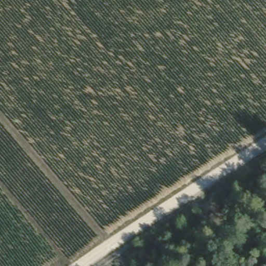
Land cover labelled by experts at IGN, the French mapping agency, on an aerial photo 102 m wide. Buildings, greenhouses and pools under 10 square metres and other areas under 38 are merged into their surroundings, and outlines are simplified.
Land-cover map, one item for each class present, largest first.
<instances>
[{"label":"vineyard","instance_id":"1","mask_svg":"<svg viewBox=\"0 0 266 266\"><path fill-rule=\"evenodd\" d=\"M266 136V0H0V266H69L143 215L154 211L170 197L192 185L193 178H211L210 171L221 164L228 167L231 164L230 159L246 151V144L252 140L257 143Z\"/></svg>","mask_w":266,"mask_h":266},{"label":"coniferous trees","instance_id":"2","mask_svg":"<svg viewBox=\"0 0 266 266\"><path fill-rule=\"evenodd\" d=\"M199 195L206 205H198V208L193 209L188 207L187 213L177 218V223L172 225L171 230L164 236L156 232L145 235L141 240L135 238L134 245L126 248L121 255L113 249L90 266H153L158 262L163 248L181 252L183 259L176 261L178 266H229V257L223 242L235 236L237 229L247 232L254 228L258 233V224L266 228V150L245 163L238 164L229 174L219 175L216 181ZM238 266H266V233L262 235L260 246L250 250L249 259L237 256Z\"/></svg>","mask_w":266,"mask_h":266},{"label":"pervious surface","instance_id":"3","mask_svg":"<svg viewBox=\"0 0 266 266\"><path fill-rule=\"evenodd\" d=\"M246 151L230 159L231 164L228 167L221 164L210 171L211 178H193L192 185L170 197L154 211L143 215L69 266H90L113 249L121 255L126 248L134 245L135 238L141 240L145 235L156 232L164 236L171 230L172 225L177 223V218L187 213L188 207L193 209L198 208V205H206L199 195L216 181L219 175L229 174L238 164L245 163L266 150V136L257 143L252 140L246 144Z\"/></svg>","mask_w":266,"mask_h":266},{"label":"deciduous trees","instance_id":"4","mask_svg":"<svg viewBox=\"0 0 266 266\"><path fill-rule=\"evenodd\" d=\"M258 233L254 228L247 232L237 229L235 236L223 242L229 257V266H238L237 256L249 259L250 250L260 246L262 235L266 233V228L258 224ZM183 259L181 252L163 248L158 262L153 266H178L176 261Z\"/></svg>","mask_w":266,"mask_h":266}]
</instances>
